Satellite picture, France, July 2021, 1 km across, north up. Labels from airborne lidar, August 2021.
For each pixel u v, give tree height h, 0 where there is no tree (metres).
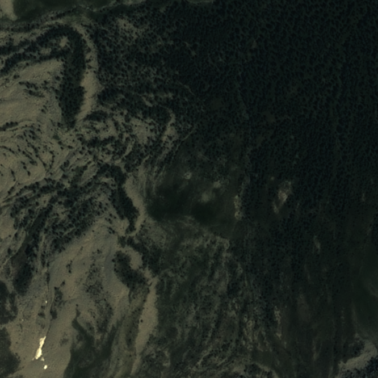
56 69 0
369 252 0
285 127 14
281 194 0
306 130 18
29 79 0
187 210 0
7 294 0
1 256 0
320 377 0
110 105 0
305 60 19
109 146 0
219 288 0
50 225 0
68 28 6
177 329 0
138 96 7
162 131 9
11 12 0
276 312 0
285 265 0
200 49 8
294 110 11
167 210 0
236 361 0
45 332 0
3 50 11
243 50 18
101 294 0
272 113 13
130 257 0
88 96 0
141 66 12
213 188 0
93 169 0
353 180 9
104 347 0
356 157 12
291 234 8
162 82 19
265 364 0
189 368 0
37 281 0
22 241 0
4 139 0
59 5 0
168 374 0
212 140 9
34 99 0
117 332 0
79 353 0
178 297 0
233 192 0
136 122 0
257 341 0
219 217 0
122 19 7
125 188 0
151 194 0
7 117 0
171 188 0
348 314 0
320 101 19
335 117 8
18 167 0
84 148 13
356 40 22
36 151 7
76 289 0
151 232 0
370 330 0
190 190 0
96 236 0
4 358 0
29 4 0
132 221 8
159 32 9
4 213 0
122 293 0
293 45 17
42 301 0
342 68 0
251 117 10
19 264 0
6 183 0
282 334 0
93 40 10
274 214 0
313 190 8
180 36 12
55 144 0
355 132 14
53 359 0
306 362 0
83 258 0
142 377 0
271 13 20
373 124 11
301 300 0
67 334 0
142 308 0
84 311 0
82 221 7
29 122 0
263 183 10
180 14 12
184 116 9
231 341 5
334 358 0
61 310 0
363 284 0
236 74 13
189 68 13
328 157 13
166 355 0
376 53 19
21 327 0
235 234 0
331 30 19
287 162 7
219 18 13
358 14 8
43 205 0
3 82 0
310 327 0
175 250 0
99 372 0
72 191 0
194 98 11
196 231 0
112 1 0
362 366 0
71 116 10
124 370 0
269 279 6
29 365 0
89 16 0
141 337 0
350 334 0
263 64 20
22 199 9
